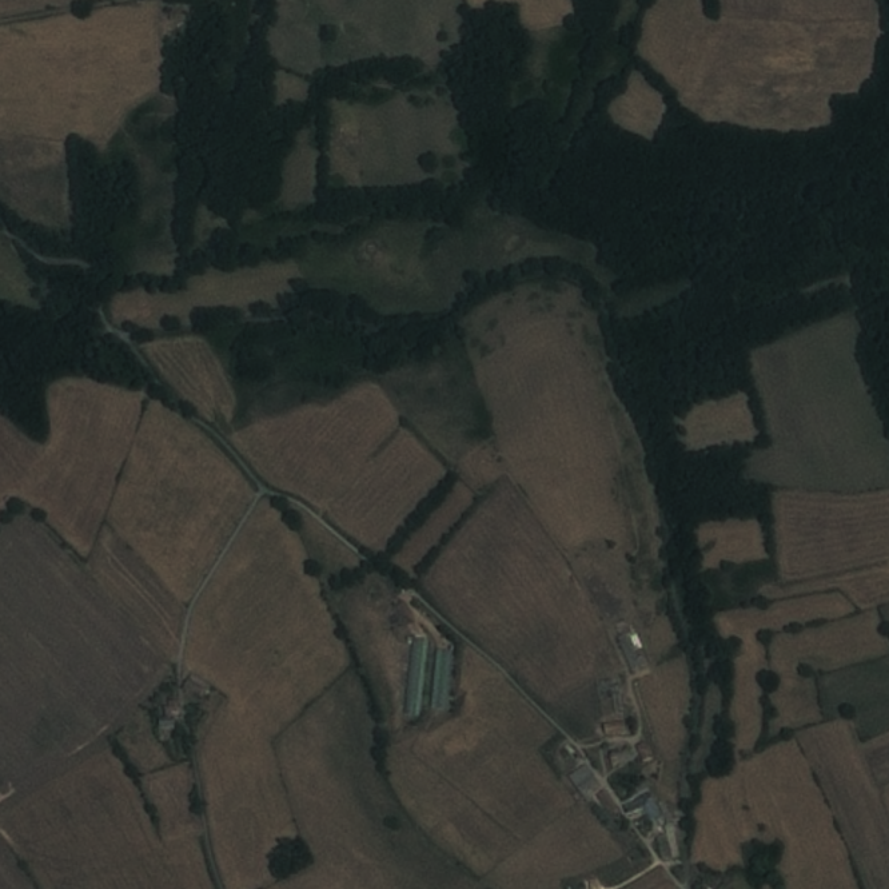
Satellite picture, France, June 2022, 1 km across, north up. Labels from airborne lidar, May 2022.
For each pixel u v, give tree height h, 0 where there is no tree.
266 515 0
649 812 0
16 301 0
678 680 0
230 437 0
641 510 0
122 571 0
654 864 0
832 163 27
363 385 0
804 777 0
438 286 0
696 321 21
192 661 0
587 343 0
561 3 0
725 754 24
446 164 0
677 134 19
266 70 15
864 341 17
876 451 0
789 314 14
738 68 0
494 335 0
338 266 0
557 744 0
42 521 12
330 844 0
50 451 0
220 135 27
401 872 0
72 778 0
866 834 0
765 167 19
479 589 0
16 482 0
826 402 0
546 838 0
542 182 26
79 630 0
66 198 0
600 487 0
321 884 0
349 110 0
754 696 0
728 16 0
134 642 0
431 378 0
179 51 16
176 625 0
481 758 0
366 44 0
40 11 0
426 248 0
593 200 27
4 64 0
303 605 0
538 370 0
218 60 22
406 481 0
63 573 0
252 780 0
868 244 17
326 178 15
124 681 0
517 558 0
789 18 0
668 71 0
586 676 0
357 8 0
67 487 0
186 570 0
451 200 25
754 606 11
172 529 0
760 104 0
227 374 0
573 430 0
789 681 0
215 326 20
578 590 0
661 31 0
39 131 0
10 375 6
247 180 23
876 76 14
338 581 15
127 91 0
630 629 0
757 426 11
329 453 0
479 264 0
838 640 0
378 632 0
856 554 0
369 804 0
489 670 0
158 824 7
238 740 0
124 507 0
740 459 15
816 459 0
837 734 0
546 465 0
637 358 19
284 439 0
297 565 0
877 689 0
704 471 21
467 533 0
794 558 0
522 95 0
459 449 0
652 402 19
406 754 0
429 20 0
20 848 0
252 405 0
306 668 0
